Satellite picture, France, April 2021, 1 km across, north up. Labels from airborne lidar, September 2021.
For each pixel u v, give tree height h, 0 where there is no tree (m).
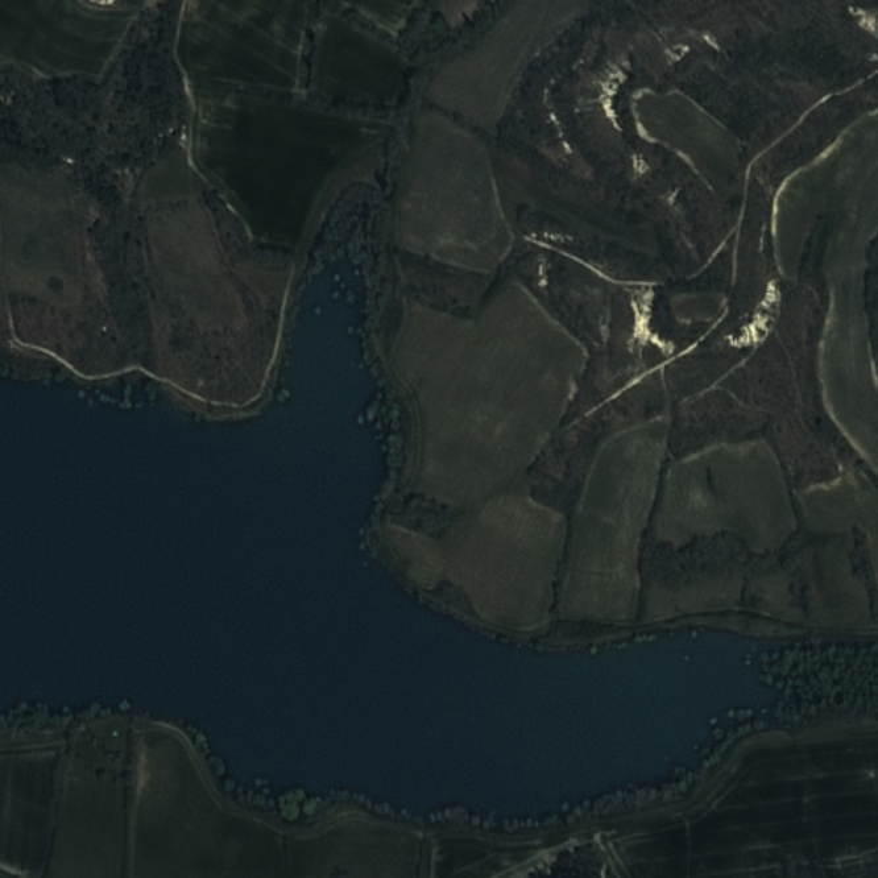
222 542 0
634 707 0
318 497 0
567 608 0
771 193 0
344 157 0
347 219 14
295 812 21
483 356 0
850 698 18
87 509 0
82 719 16
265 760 0
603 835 0
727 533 7
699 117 0
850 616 0
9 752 0
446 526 13
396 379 0
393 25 0
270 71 0
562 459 11
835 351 0
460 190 0
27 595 0
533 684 0
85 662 0
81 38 0
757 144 9
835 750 0
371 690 0
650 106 0
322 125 0
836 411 0
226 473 0
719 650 0
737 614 9
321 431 0
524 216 14
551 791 0
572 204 0
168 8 11
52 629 0
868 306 6
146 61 13
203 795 0
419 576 0
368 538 8
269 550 0
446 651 0
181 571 0
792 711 12
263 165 0
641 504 0
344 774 0
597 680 0
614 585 0
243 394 10
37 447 0
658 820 0
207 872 0
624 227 0
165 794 0
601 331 0
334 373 0
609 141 0
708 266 9
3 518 0
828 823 0
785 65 10
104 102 13
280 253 18
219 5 0
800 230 0
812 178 0
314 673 0
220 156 0
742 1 12
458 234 0
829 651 17
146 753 0
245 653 0
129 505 0
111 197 9
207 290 0
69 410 0
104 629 0
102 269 6
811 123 7
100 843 0
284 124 0
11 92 7
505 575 0
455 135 0
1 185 0
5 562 0
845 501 0
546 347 0
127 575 0
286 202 0
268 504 0
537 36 0
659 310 12
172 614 0
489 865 0
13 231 0
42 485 0
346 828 0
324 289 0
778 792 0
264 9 0
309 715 0
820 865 0
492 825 11
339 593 0
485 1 0
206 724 0
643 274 9
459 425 0
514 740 0
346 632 0
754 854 0
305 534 0
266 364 12
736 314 8
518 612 0
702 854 0
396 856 0
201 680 0
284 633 0
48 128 6
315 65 7
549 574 0
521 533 0
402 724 0
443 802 0
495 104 0
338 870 0
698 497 0
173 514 0
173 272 0
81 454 0
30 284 0
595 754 0
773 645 0
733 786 0
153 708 0
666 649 0
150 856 0
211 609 0
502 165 0
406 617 0
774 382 7
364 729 0
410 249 0
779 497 0
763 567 16
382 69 0
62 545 0
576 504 9
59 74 0
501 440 0
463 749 0
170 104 9
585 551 0
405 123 30
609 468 0
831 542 0
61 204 0
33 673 0
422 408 0
